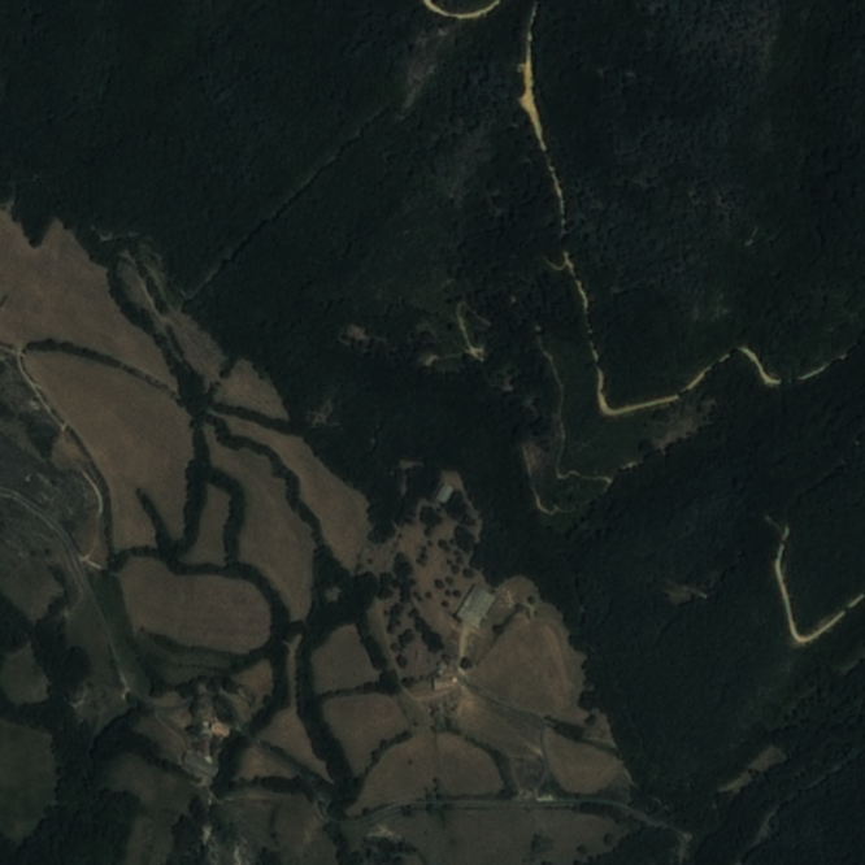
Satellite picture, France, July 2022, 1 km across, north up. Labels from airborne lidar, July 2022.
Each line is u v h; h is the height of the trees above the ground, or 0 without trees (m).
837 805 13
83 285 0
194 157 15
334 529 0
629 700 10
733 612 13
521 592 0
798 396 19
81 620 0
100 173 18
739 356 28
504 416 25
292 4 11
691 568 9
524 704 0
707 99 16
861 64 17
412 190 10
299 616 0
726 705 9
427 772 0
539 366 20
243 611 0
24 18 22
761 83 7
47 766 0
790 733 17
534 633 0
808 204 25
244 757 0
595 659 11
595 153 16
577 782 0
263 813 0
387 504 11
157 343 8
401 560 8
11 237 0
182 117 16
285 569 0
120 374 0
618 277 20
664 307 16
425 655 0
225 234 20
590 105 18
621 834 0
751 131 9
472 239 22
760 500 18
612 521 22
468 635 0
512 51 13
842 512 15
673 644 13
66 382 0
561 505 17
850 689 20
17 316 0
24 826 0
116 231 8
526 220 23
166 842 0
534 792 0
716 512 6
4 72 23
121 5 19
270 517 0
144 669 7
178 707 0
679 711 10
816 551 12
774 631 7
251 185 15
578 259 15
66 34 19
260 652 7
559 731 7
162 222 11
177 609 0
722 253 12
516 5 24
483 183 10
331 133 10
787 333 7
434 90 15
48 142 21
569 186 13
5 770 0
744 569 18
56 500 0
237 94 17
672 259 12
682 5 15
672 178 11
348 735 0
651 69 16
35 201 12
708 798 13
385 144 16
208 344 0
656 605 9
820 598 6
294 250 18
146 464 0
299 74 22
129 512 0
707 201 14
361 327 17
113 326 0
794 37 15
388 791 0
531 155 21
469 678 0
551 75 15
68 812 20
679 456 26
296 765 10
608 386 10
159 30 19
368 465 14
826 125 20
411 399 13
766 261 20
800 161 29
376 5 12
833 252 12
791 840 6
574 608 18
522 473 27
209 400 8
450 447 15
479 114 9
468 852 0
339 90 17
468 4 11
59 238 0
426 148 17
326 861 0
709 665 10
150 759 12
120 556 6
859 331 13
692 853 11
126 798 14
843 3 21
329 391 8
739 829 10
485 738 0
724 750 10
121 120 25
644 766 14
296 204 16
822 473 22
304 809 0
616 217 10
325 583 13
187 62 20
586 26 13
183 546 7
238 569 13
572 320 20
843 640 14
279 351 9
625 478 20
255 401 0
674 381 12
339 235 19
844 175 17
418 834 0
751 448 18
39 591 0
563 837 0
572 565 21
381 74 18
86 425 0
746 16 12
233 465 0
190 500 8
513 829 0
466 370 14
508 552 8
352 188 17
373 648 13
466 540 7
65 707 10
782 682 11
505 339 19
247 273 20
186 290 11
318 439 11
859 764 15
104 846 8
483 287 12
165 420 0
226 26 17
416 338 18
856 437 8
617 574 11
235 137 18
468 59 23
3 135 18
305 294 24
